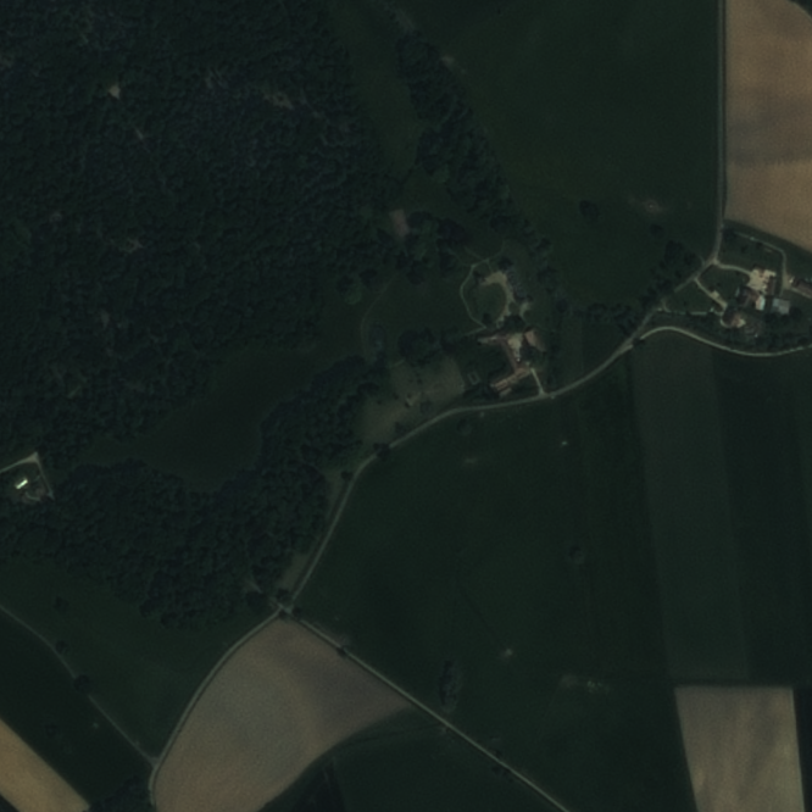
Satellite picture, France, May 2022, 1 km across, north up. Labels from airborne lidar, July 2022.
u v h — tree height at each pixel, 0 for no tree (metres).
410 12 0
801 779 0
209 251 28
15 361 24
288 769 0
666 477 0
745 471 0
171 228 34
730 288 0
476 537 0
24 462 0
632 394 0
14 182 32
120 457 0
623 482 0
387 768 0
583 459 0
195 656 0
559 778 0
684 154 0
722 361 0
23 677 0
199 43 31
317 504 27
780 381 0
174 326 15
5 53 30
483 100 0
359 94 9
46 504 19
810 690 0
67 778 0
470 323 0
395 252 19
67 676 0
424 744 0
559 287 15
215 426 0
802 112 0
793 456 0
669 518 0
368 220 25
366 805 0
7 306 24
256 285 27
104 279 21
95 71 28
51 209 19
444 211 0
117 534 29
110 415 19
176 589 23
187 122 32
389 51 0
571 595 0
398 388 0
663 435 0
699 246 0
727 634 0
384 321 0
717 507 0
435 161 29
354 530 0
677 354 0
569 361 0
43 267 31
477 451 0
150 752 0
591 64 0
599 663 0
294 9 27
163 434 0
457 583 0
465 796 0
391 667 0
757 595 0
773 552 0
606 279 0
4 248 30
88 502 33
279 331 27
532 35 0
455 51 0
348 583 0
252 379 0
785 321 17
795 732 0
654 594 0
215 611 24
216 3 26
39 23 18
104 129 27
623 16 0
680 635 0
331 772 0
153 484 20
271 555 31
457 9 0
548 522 0
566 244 0
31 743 0
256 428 0
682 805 0
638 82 0
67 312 13
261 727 0
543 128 0
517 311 0
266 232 30
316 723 0
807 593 0
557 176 0
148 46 26
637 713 0
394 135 0
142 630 0
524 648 0
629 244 0
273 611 0
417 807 0
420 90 22
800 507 0
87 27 19
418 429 0
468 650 0
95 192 30
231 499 25
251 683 0
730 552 0
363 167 25
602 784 0
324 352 0
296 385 0
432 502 0
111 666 0
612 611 0
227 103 36
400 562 0
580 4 0
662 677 0
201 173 33
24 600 0
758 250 7
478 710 0
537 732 0
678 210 0
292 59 35
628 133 0
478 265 0
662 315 9
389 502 0
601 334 0
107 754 0
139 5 27
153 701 0
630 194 0
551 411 0
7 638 0
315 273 32
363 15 0
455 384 0
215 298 18
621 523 0
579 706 0
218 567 25
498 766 5
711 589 0
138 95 23
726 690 0
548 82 0
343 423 23
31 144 35
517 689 0
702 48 0
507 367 7
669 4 0
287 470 27
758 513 0
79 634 0
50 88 30
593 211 19
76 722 0
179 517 27
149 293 27
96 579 23
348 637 0
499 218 16
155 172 31
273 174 30
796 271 0
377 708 0
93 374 26
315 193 12
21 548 28
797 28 0
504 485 0
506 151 0
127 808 23
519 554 0
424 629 0
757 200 0
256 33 31
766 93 0
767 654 0
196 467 0
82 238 15
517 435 0
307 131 33
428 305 0
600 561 0
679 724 0
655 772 0
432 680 0
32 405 30
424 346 25
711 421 0
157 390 29
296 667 0
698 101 0
